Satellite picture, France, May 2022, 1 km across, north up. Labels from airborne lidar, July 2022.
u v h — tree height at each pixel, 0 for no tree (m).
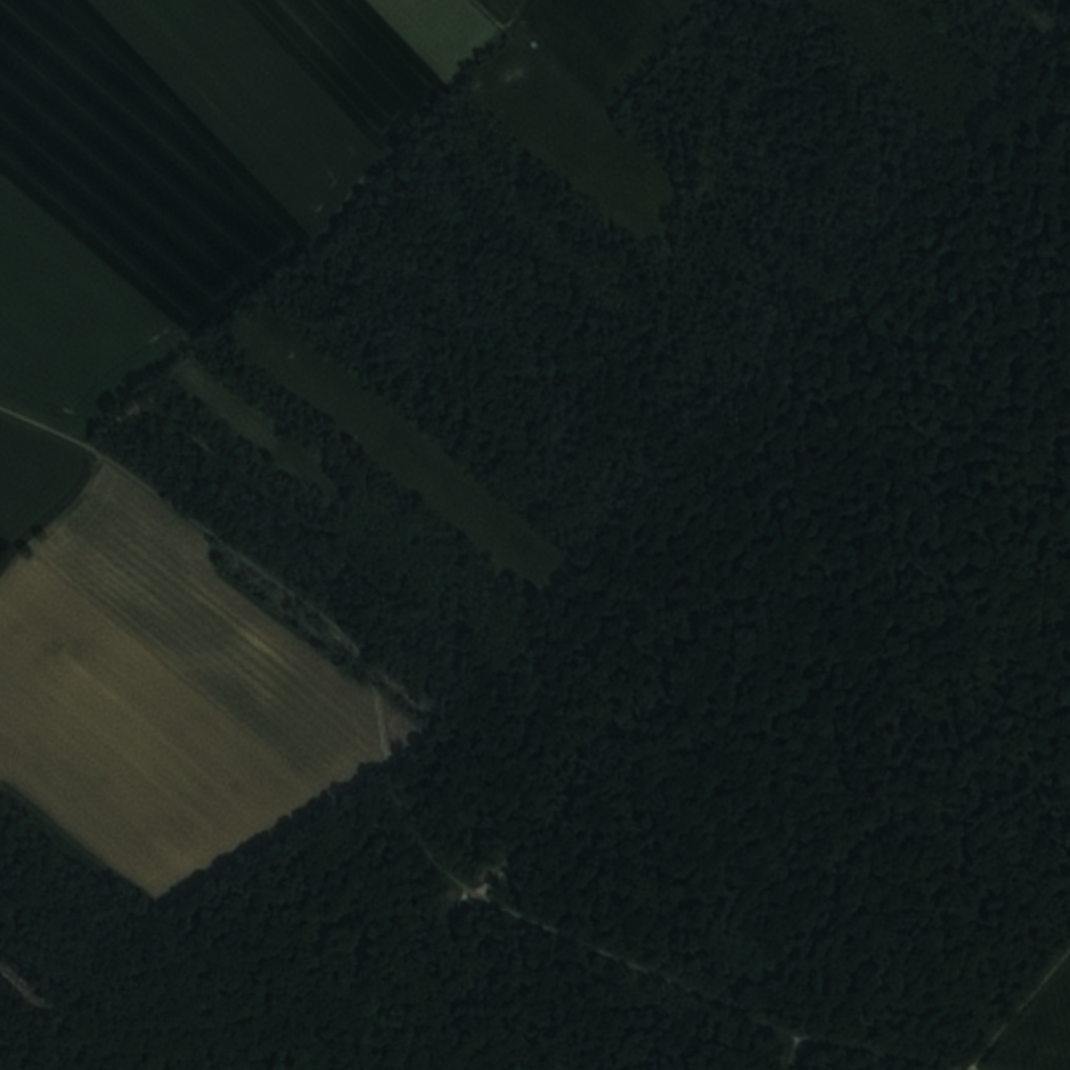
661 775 21
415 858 30
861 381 31
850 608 24
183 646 0
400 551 21
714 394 23
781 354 26
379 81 0
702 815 26
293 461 0
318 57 0
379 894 26
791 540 26
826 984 31
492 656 26
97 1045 24
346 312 16
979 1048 22
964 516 25
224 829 0
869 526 29
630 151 0
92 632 0
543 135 0
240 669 0
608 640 31
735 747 26
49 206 0
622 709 29
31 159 0
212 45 0
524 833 27
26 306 0
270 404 14
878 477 32
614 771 28
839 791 27
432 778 29
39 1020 27
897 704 27
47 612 0
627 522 30
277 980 25
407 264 27
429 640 28
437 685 22
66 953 23
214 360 21
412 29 0
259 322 12
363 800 24
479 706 33
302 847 24
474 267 23
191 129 0
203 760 0
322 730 0
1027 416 30
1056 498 29
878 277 22
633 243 15
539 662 23
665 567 28
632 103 18
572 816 24
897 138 23
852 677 26
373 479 25
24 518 0
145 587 0
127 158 0
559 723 27
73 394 0
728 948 29
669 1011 27
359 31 0
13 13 0
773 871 24
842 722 27
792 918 27
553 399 16
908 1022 24
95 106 0
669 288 10
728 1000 19
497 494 12
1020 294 30
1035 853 29
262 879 29
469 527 0
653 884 26
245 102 0
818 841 31
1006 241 21
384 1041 26
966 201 29
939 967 27
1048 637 24
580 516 21
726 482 28
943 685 27
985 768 26
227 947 26
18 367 0
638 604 29
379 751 0
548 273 25
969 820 27
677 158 28
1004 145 27
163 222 0
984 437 25
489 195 24
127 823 0
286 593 7
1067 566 22
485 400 15
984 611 28
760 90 20
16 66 0
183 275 0
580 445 25
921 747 28
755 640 29
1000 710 8
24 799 0
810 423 30
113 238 0
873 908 26
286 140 0
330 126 0
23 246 0
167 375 20
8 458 0
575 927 23
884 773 27
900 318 28
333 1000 23
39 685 0
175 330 0
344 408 0
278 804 0
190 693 0
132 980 20
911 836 29
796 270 22
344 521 22
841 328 22
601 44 0
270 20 0
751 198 15
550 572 0
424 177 28
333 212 0
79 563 0
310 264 25
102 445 18
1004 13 26
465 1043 23
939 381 30
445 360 10
